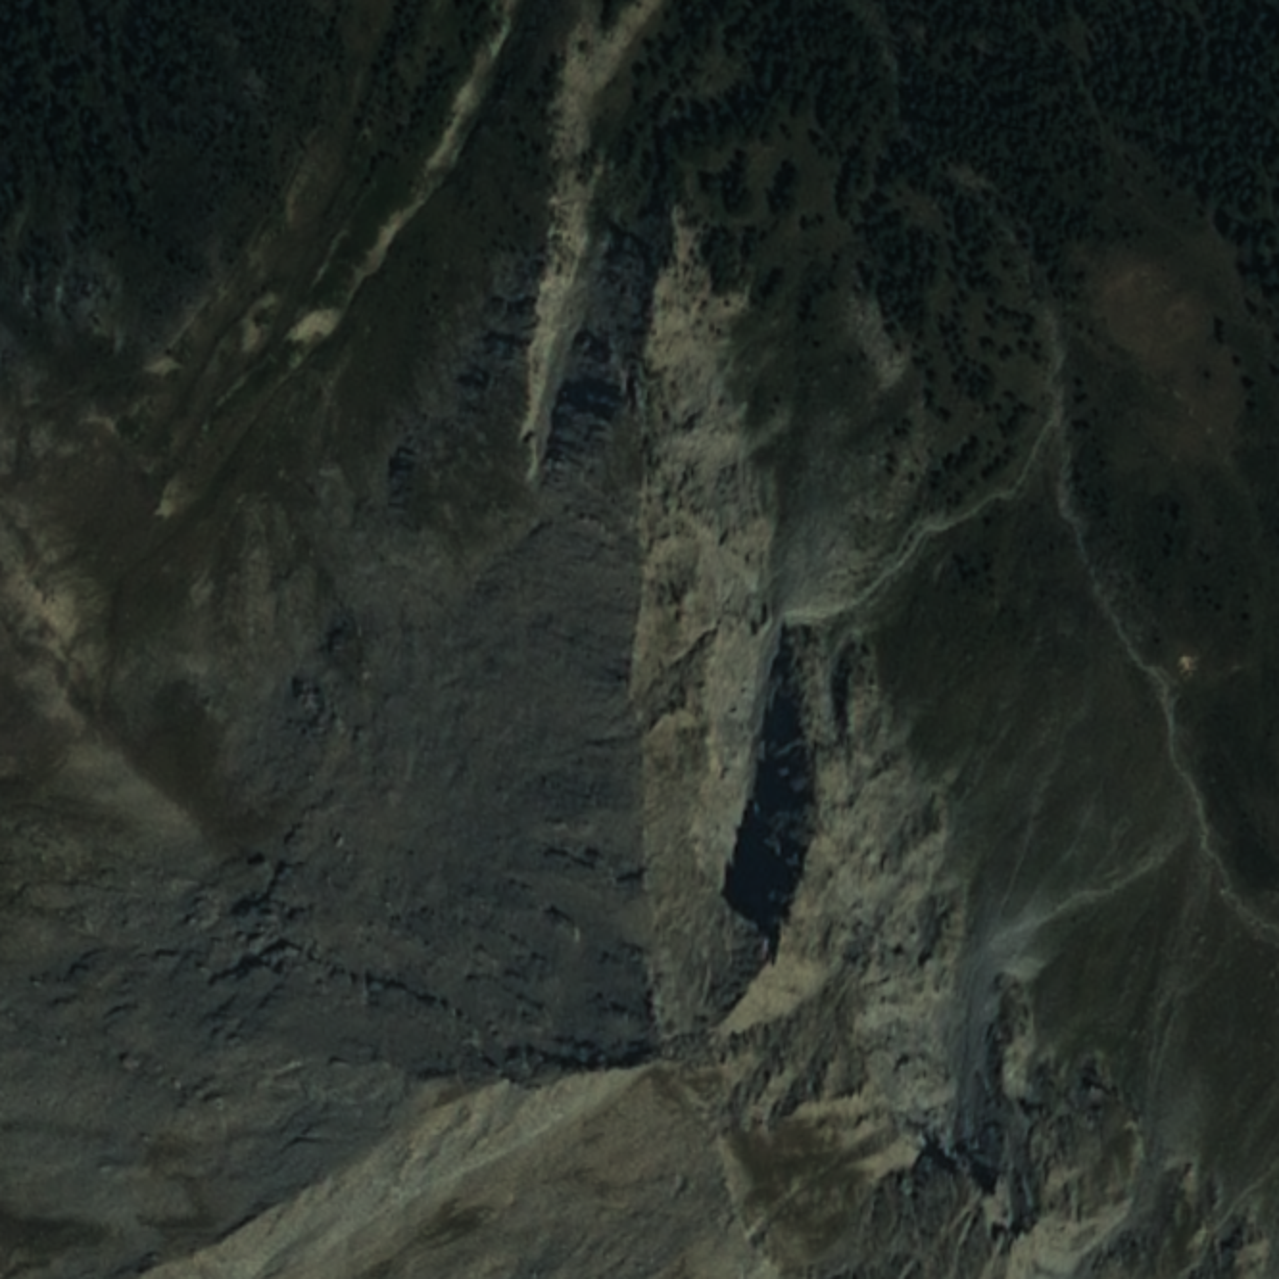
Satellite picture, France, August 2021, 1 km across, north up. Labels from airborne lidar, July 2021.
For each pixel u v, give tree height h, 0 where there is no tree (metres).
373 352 0
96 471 0
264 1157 0
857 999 0
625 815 0
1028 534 0
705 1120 0
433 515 0
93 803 0
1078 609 0
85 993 0
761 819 0
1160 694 0
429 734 0
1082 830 0
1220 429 0
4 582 0
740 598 0
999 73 13
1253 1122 0
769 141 15
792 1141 0
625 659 0
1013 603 0
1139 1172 0
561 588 0
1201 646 0
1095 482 0
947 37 10
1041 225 7
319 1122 0
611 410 0
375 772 0
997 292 14
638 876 0
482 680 0
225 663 0
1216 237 0
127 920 0
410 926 0
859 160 13
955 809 0
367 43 0
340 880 0
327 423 0
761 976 0
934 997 0
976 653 0
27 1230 0
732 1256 0
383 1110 0
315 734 0
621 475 0
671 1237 0
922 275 16
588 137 0
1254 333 0
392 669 0
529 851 0
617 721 0
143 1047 0
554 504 0
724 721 0
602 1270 0
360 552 0
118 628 0
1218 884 0
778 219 8
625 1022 0
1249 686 0
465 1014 0
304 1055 0
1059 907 0
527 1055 0
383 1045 0
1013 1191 0
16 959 0
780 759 0
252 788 0
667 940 0
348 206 0
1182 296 0
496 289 0
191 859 0
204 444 0
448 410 0
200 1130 0
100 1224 0
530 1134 0
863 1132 0
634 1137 0
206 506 0
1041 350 10
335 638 0
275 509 0
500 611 0
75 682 0
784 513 0
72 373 0
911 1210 0
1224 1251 0
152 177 0
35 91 17
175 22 11
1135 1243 0
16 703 0
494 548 0
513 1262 0
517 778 0
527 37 0
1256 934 0
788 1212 0
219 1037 0
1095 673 0
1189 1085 0
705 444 0
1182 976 0
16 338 0
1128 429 0
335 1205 0
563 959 0
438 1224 0
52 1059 0
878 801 0
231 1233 0
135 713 0
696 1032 0
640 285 0
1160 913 0
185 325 0
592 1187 0
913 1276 0
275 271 0
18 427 0
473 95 0
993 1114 0
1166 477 0
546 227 0
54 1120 0
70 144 11
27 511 0
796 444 0
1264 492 0
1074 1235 0
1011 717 0
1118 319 0
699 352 0
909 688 0
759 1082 0
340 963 0
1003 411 9
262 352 0
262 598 0
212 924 0
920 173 16
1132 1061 0
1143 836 0
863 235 11
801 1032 0
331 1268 0
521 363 0
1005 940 0
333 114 0
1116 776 0
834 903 0
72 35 0
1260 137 12
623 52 0
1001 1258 0
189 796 0
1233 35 10
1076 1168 0
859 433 0
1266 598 0
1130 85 18
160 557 0
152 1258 0
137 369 0
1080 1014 0
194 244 0
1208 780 0
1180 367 0
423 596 0
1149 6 11
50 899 0
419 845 0
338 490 0
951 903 0
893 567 0
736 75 0
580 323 0
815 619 0
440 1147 0
